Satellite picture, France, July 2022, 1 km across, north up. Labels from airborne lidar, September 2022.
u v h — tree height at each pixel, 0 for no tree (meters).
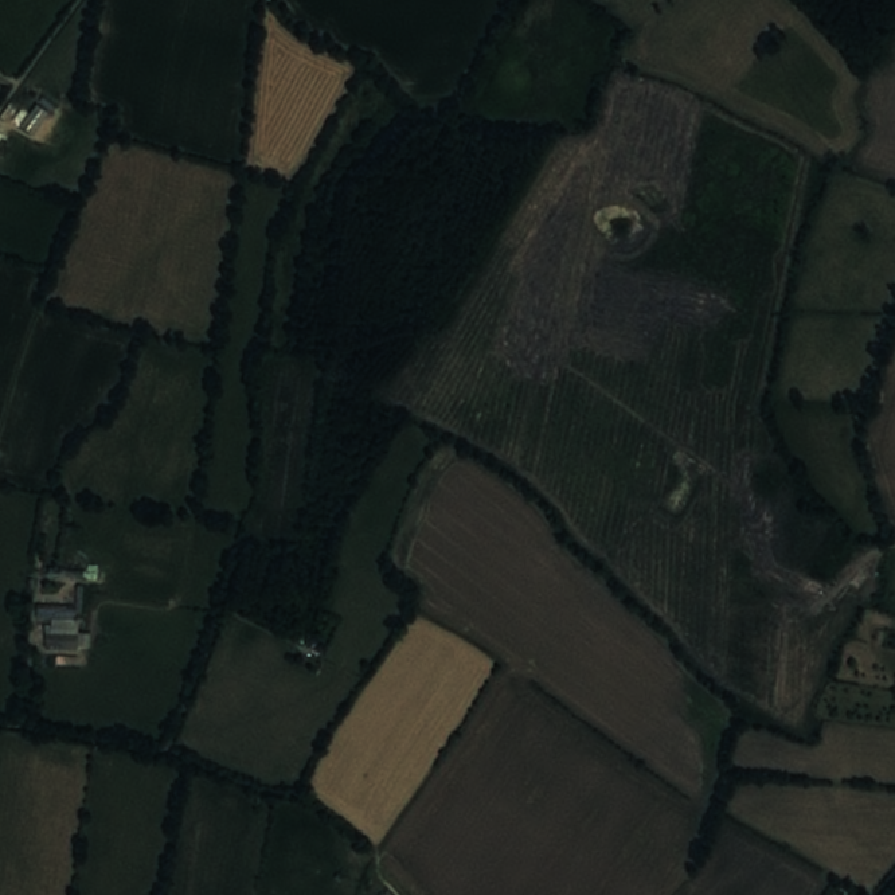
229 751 0
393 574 21
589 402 0
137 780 0
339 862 0
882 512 17
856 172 15
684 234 0
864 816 0
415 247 12
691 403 0
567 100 0
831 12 36
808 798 0
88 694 0
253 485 17
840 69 0
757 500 0
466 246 15
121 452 0
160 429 0
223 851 0
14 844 0
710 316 0
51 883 0
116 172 0
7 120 0
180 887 0
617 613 0
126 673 0
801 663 0
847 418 0
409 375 0
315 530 7
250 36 10
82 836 7
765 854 0
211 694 0
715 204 0
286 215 17
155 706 0
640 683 0
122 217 0
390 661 0
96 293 0
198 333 0
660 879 0
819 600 0
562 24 0
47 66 0
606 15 11
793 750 0
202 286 0
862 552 0
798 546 0
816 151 0
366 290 27
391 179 21
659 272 0
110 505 9
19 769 0
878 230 0
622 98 0
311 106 0
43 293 14
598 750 0
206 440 18
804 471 17
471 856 0
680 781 0
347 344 36
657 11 13
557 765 0
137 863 0
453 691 0
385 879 0
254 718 0
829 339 0
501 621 0
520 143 33
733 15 0
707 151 0
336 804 0
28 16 0
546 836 0
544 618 0
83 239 0
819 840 0
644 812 0
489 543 0
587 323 0
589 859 0
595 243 0
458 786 0
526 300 0
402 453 0
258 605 11
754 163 0
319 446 13
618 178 0
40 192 8
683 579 0
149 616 0
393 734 0
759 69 0
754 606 0
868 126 21
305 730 0
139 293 0
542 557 0
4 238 0
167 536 0
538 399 0
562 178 0
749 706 0
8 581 0
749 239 0
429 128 35
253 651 0
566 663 0
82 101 21
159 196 0
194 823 0
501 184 8
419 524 0
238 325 0
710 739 0
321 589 32
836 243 0
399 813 0
